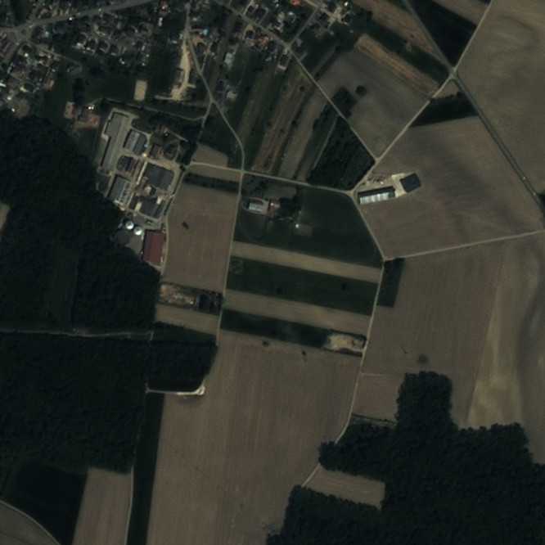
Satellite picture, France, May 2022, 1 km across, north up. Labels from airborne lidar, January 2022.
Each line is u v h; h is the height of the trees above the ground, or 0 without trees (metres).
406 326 0
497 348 0
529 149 0
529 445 0
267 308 0
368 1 0
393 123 0
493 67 0
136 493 0
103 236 10
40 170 19
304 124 0
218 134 0
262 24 0
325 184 5
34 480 0
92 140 0
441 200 0
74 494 0
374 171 0
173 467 0
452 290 0
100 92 0
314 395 0
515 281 0
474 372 0
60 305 0
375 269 0
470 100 0
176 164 0
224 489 0
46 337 12
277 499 0
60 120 0
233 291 0
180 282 0
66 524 0
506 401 0
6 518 0
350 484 0
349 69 0
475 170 0
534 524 22
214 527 0
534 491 15
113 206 19
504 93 0
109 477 0
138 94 0
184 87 0
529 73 0
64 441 18
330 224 0
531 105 0
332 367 0
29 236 21
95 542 0
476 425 0
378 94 0
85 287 9
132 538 0
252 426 0
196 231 0
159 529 0
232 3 0
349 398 0
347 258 0
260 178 0
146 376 7
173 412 0
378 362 0
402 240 0
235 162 0
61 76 5
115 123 0
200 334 0
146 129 0
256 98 0
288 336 0
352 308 0
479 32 0
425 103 0
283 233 0
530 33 0
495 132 0
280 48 0
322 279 0
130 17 8
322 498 18
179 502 0
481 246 0
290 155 0
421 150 0
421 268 0
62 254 0
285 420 0
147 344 12
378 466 24
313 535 19
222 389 0
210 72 0
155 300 15
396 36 0
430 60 0
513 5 0
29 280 19
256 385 0
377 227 0
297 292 0
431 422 13
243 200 0
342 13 0
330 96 0
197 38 0
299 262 0
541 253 0
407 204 0
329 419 0
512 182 0
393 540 20
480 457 23
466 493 15
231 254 0
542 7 0
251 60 0
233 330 0
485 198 0
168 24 12
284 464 0
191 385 0
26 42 0
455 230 0
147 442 0
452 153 0
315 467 0
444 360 0
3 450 24
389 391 0
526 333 0
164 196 0
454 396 0
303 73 0
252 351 0
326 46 0
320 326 0
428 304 0
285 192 0
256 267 0
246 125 0
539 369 0
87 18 8
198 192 0
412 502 15
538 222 0
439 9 0
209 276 0
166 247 0
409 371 0
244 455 0
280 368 0
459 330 0
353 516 15
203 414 0
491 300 0
